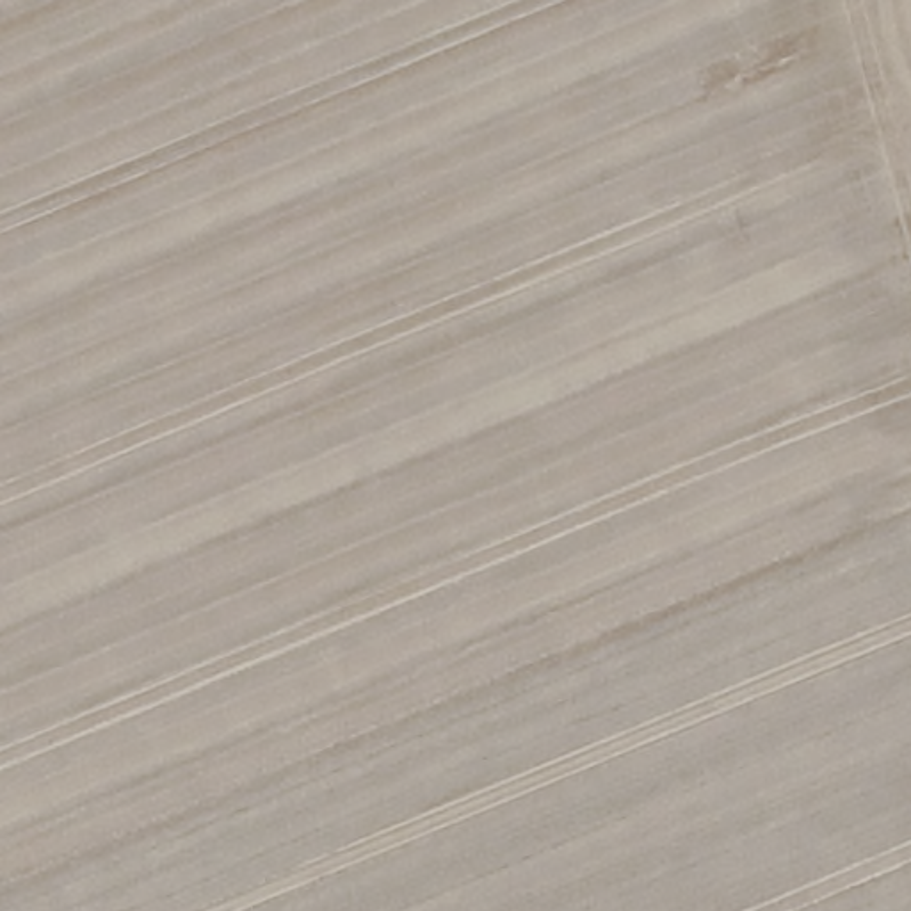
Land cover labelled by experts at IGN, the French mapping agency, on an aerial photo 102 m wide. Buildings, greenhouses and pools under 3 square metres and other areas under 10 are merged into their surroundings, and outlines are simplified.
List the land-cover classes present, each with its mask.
<instances>
[{"label":"agricultural land","instance_id":"1","mask_svg":"<svg viewBox=\"0 0 911 911\"><path fill-rule=\"evenodd\" d=\"M0 911H911V0H0Z\"/></svg>","mask_w":911,"mask_h":911}]
</instances>
